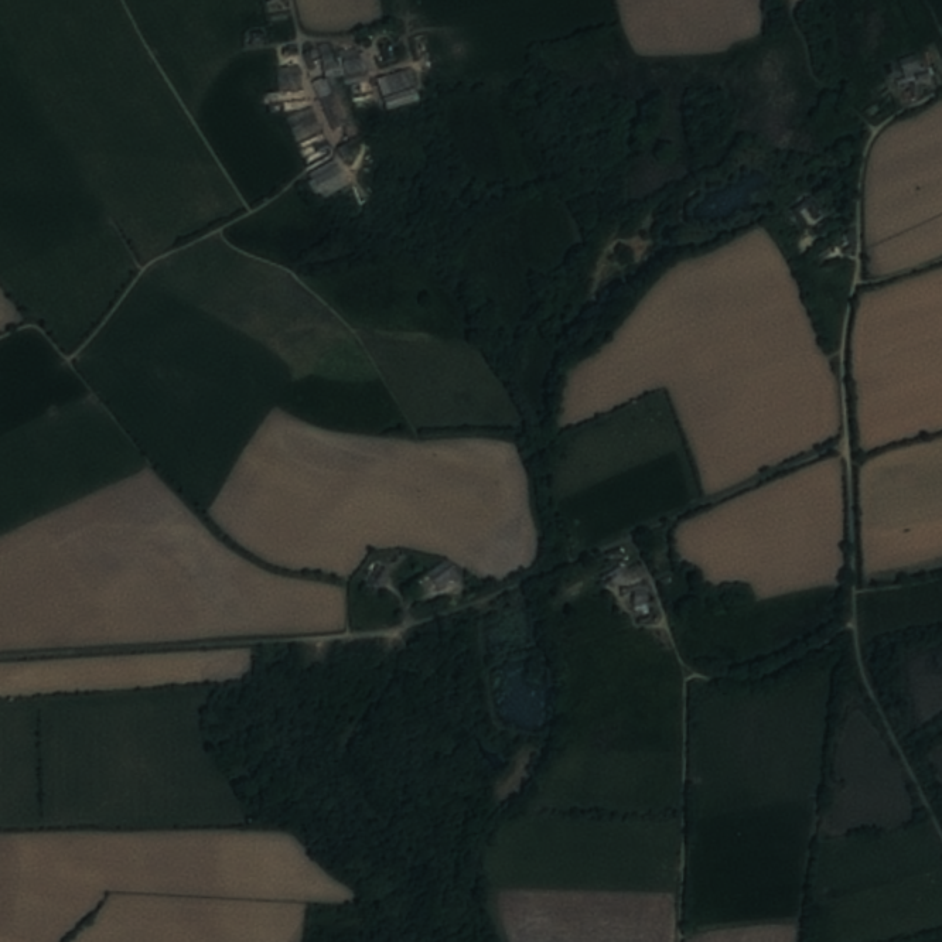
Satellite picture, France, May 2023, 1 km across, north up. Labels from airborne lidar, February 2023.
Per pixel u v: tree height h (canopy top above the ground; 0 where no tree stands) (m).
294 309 0
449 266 7
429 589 0
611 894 0
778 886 0
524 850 0
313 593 0
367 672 11
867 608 0
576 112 14
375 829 9
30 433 0
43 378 0
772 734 0
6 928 0
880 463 0
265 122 0
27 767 0
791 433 0
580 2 0
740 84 0
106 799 0
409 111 7
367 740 12
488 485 0
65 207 0
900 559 0
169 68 0
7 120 0
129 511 0
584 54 0
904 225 0
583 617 0
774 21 15
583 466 0
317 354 0
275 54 0
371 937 13
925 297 0
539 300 6
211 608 0
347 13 0
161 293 0
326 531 0
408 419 0
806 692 0
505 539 0
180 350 0
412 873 11
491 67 0
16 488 0
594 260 11
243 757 14
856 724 0
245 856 0
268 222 0
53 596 0
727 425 0
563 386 14
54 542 0
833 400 0
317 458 0
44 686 0
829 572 0
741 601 13
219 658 0
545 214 0
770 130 0
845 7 0
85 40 0
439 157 14
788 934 0
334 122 0
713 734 0
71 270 0
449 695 7
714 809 0
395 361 0
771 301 0
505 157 0
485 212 20
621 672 0
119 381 0
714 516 0
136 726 0
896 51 0
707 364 0
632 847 0
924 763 7
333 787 9
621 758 0
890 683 11
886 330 0
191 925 0
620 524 0
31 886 0
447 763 10
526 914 0
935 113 0
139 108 0
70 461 0
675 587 0
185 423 0
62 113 0
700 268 0
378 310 0
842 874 0
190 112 0
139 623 0
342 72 0
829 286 0
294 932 0
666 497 0
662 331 0
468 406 0
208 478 0
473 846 7
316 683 10
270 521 0
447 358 0
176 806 0
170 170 0
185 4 0
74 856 0
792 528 0
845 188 16
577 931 0
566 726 12
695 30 0
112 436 0
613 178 14
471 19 0
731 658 0
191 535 0
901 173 0
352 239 10
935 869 0
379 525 0
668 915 0
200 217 0
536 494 6
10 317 0
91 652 0
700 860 0
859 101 7
